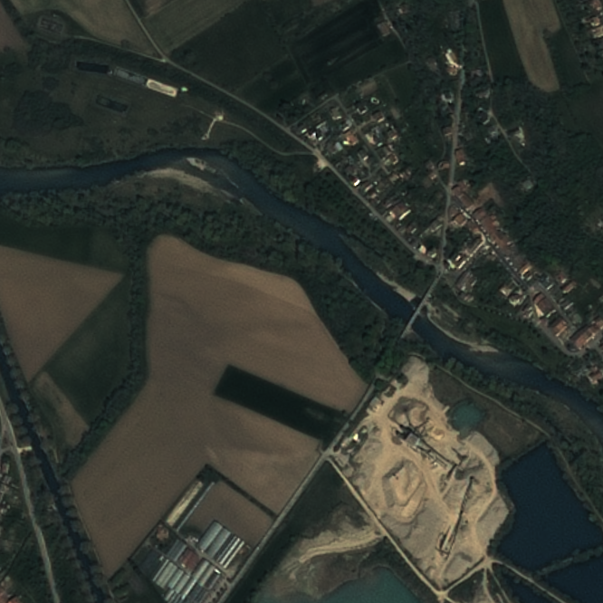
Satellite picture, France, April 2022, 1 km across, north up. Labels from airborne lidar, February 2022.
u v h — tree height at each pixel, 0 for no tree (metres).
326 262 16
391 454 0
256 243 0
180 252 0
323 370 0
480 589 0
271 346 0
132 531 0
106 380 0
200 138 0
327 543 0
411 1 23
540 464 0
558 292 0
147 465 0
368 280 0
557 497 0
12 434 0
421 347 15
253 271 0
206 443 0
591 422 0
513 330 0
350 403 0
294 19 0
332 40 0
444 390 0
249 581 0
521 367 0
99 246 0
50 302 0
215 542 0
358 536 0
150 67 5
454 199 0
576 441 16
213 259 0
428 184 0
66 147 0
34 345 0
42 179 0
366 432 0
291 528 0
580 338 0
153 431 0
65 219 16
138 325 16
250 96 0
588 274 0
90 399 0
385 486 0
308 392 0
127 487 0
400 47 0
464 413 0
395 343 14
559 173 11
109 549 0
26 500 0
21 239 0
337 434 0
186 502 0
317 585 0
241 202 0
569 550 0
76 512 20
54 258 0
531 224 17
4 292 0
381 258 0
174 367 0
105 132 0
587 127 0
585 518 0
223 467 0
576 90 8
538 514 0
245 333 0
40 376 0
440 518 0
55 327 0
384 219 0
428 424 0
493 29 0
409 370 0
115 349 0
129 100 0
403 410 0
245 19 0
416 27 8
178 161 0
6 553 0
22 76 0
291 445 0
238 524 0
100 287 0
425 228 7
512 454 0
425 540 0
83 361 0
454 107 11
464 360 0
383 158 0
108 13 0
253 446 0
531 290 0
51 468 0
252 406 0
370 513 0
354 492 0
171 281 0
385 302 0
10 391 0
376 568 0
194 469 0
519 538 0
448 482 0
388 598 0
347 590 0
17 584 0
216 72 0
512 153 8
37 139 0
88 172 0
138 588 0
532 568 0
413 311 0
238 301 0
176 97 0
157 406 0
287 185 24
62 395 0
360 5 0
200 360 0
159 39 0
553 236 19
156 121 0
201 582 0
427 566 0
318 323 0
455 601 0
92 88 0
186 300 0
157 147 8
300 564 0
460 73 0
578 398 0
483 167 10
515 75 0
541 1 0
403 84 0
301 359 0
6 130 0
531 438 0
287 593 0
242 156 8
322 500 0
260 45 0
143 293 8
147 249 0
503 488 15
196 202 0
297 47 0
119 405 21
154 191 0
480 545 0
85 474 0
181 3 0
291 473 0
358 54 0
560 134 16
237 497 0
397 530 0
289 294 0
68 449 0
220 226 22
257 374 0
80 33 0
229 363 0
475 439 0
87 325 0
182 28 0
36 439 0
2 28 0
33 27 0
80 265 0
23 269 0
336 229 0
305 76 0
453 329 0
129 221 18
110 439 0
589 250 7
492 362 0
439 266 0
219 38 0
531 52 0
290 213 0
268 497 0
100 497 0
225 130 0
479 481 0
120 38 0
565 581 0
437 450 0
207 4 0
